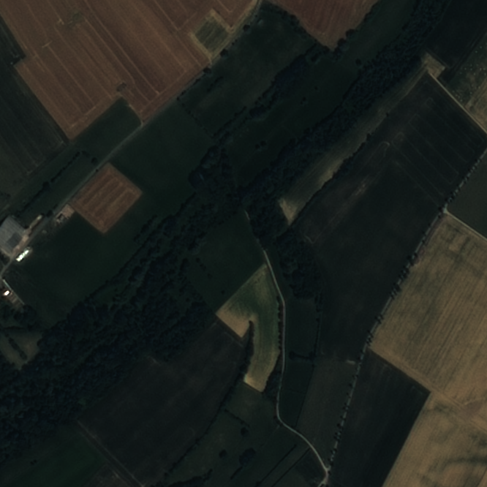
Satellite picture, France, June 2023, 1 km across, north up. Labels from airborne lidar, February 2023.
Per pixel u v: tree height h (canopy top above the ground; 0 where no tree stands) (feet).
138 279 46
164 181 0
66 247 0
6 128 0
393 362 0
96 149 0
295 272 0
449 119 0
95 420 0
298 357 30
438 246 0
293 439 0
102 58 0
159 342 69
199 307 63
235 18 0
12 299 0
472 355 0
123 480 0
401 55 18
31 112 0
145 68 0
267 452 0
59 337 83
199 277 0
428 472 0
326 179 0
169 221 38
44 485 0
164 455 0
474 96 0
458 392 0
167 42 0
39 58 0
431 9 43
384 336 0
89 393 90
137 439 0
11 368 45
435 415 0
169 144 0
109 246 0
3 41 0
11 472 0
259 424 0
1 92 0
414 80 0
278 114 0
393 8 0
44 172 0
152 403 0
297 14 0
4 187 0
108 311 82
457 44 0
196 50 0
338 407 0
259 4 0
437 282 0
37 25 0
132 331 114
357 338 0
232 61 0
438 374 0
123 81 0
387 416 0
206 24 0
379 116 0
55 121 0
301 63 91
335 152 0
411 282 0
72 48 0
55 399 71
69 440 0
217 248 0
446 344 0
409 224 0
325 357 0
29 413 84
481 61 0
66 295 0
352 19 0
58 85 0
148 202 0
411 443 0
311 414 0
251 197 77
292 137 0
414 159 0
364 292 0
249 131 0
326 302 0
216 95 0
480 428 0
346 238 0
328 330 0
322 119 0
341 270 0
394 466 0
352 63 0
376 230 0
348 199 0
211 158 53
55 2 0
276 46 0
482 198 0
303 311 0
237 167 0
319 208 0
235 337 0
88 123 0
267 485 0
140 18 0
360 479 0
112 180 0
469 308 0
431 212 0
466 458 0
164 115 0
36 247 0
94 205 0
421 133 0
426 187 0
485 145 0
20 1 0
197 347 0
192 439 0
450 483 0
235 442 0
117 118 0
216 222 44
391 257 0
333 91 0
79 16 0
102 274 0
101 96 0
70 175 0
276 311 0
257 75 0
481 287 0
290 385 0
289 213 0
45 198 0
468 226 0
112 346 84
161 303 60
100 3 0
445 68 0
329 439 0
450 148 0
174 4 0
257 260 0
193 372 0
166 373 0
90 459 0
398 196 0
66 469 0
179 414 0
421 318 0
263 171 0
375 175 0
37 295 0
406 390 0
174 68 0
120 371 66
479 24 0
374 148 0
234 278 0
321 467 0
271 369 0
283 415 0
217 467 0
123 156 0
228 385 0
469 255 0
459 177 0
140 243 26
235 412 0
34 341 0
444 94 0
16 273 0
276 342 0
